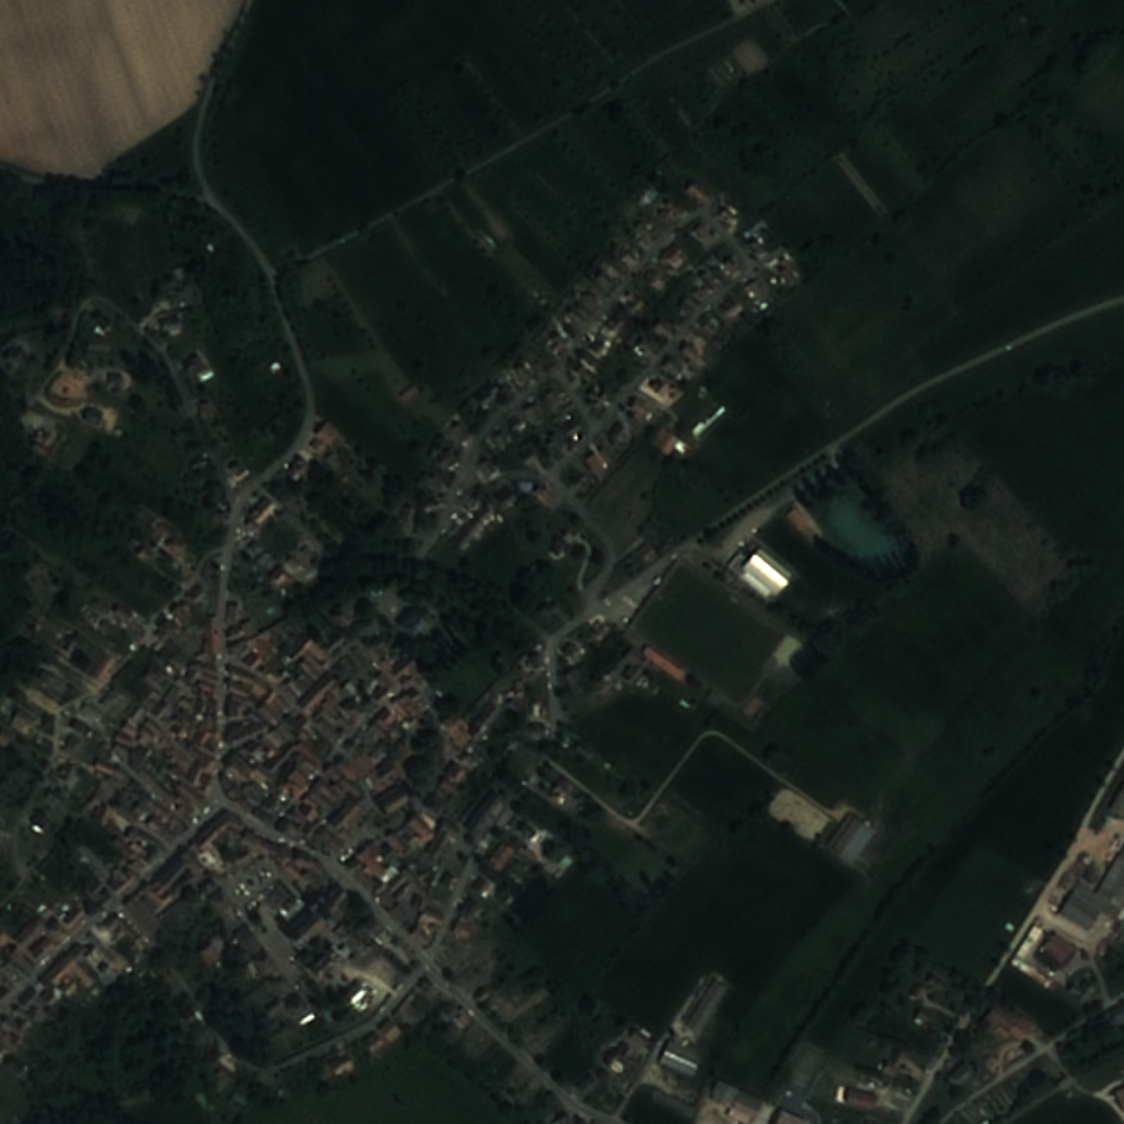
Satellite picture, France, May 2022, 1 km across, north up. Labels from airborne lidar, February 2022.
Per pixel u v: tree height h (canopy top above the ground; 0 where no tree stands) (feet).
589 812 53
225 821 0
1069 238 0
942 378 0
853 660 0
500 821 0
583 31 0
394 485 44
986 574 0
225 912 0
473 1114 0
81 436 0
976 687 0
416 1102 0
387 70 0
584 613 0
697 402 0
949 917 0
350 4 0
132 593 0
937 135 0
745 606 0
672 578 0
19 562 70
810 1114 0
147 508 0
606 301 0
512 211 0
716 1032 0
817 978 0
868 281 0
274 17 0
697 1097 0
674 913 0
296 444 0
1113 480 0
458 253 0
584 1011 27
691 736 0
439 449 21
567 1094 0
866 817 0
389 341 0
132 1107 0
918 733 0
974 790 0
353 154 0
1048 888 0
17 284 70
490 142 0
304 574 0
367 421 0
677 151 0
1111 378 0
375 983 0
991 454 0
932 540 0
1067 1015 0
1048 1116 0
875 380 0
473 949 0
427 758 48
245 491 0
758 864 0
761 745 0
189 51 0
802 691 0
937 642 0
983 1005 35
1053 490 0
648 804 0
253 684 0
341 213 0
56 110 0
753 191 0
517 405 0
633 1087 0
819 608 0
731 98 0
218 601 0
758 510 0
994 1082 0
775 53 0
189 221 23
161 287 26
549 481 0
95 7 0
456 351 0
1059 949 0
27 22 0
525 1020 0
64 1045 27
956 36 0
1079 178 0
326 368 0
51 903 0
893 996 27
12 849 0
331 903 0
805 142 0
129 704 0
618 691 0
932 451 47
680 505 0
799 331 0
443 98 0
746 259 0
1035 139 21
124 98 0
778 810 0
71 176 0
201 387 26
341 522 47
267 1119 0
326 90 0
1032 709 0
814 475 0
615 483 0
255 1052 68
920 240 0
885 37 0
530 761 0
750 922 0
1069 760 0
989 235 0
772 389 0
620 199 0
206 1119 0
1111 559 0
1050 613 0
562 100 0
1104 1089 0
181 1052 47
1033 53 0
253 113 0
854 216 0
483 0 0
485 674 0
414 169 0
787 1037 0
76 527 67
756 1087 0
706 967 0
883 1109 0
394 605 0
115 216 0
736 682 0
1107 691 0
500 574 0
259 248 0
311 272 0
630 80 0
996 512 0
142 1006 25
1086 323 0
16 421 34
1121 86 0
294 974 0
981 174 0
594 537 0
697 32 0
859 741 0
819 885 0
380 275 0
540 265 0
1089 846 0
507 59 0
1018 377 0
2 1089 0
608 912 0
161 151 0
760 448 0
